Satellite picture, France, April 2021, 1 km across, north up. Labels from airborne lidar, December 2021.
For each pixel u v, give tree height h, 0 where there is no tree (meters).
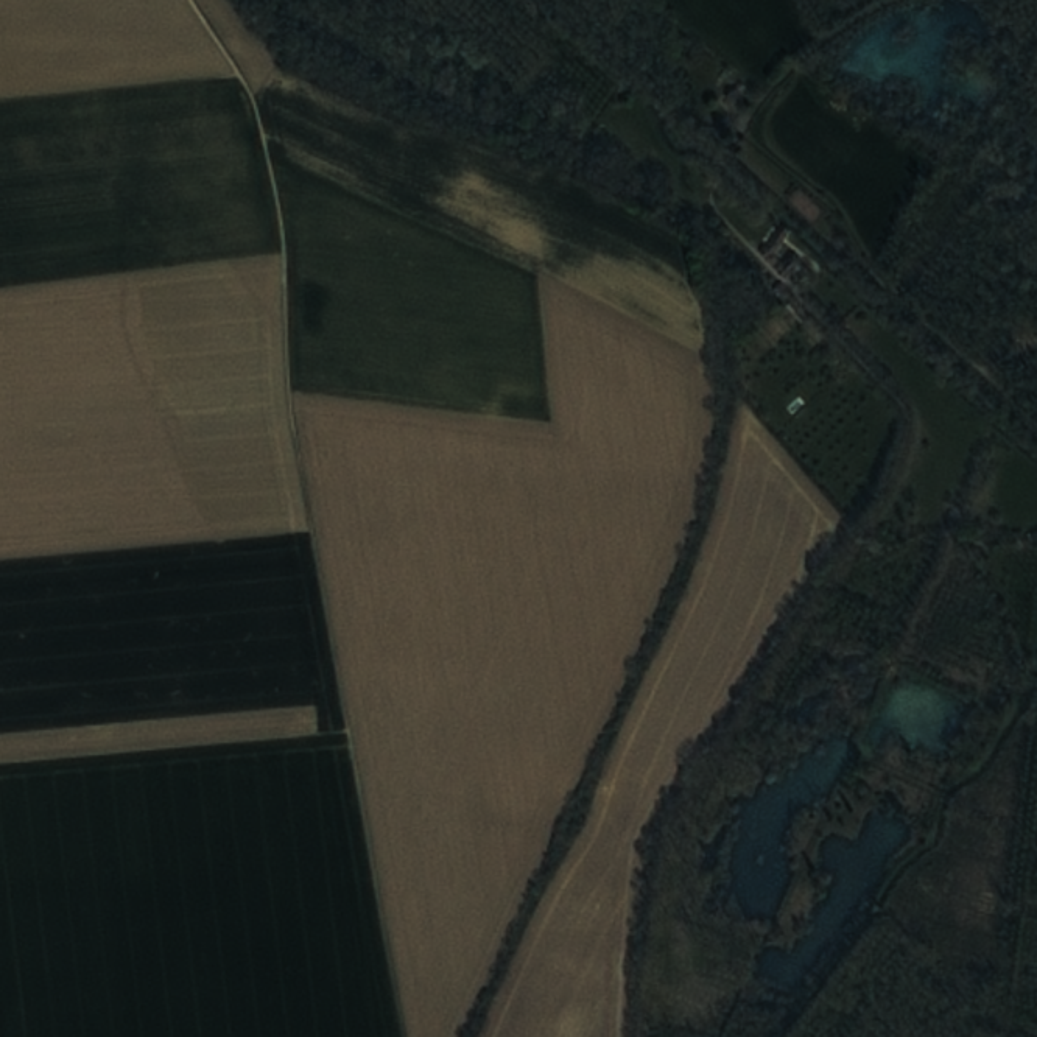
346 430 0
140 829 0
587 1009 0
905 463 24
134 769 0
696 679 0
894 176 0
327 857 0
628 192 23
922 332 27
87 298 0
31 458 0
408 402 0
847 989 37
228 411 0
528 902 12
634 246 0
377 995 0
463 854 0
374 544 0
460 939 0
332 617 0
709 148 34
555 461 0
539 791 0
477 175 0
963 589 13
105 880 0
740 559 0
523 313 0
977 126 24
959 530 28
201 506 0
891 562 16
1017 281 20
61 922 0
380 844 0
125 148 0
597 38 33
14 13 0
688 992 0
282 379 0
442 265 0
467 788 0
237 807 0
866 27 8
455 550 0
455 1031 0
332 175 0
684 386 0
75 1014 0
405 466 0
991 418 21
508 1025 0
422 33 25
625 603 0
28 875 0
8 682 0
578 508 0
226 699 0
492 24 0
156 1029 0
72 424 0
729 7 0
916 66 0
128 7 0
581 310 0
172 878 0
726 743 26
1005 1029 34
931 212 7
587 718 0
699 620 0
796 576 0
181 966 0
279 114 0
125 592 0
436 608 0
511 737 0
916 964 40
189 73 0
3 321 0
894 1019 37
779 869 0
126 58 0
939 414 0
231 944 0
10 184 0
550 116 27
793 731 25
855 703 18
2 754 0
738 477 0
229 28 0
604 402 0
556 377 0
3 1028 0
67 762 0
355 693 0
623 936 0
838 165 0
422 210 0
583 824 15
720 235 23
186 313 0
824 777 0
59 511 0
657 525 0
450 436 0
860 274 27
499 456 0
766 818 0
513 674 0
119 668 0
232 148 0
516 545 0
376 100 20
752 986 14
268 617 0
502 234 0
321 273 0
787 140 0
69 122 0
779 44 0
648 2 17
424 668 0
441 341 0
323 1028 0
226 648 0
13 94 0
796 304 22
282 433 0
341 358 0
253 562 0
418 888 0
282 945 0
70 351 0
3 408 0
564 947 0
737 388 21
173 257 0
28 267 0
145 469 0
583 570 0
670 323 0
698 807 29
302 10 22
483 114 32
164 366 0
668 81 21
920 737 0
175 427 0
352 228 0
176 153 0
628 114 0
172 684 0
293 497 0
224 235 0
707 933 0
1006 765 6
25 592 0
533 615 0
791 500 0
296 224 0
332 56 17
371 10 37
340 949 0
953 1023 39
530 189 0
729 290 23
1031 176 21
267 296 0
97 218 0
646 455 0
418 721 0
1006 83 14
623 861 0
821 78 24
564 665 0
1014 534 10
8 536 0
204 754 0
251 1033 0
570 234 0
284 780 0
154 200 0
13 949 0
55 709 0
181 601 0
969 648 7
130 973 0
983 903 0
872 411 0
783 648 24
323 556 0
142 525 0
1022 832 7
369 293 0
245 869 0
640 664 12
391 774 0
